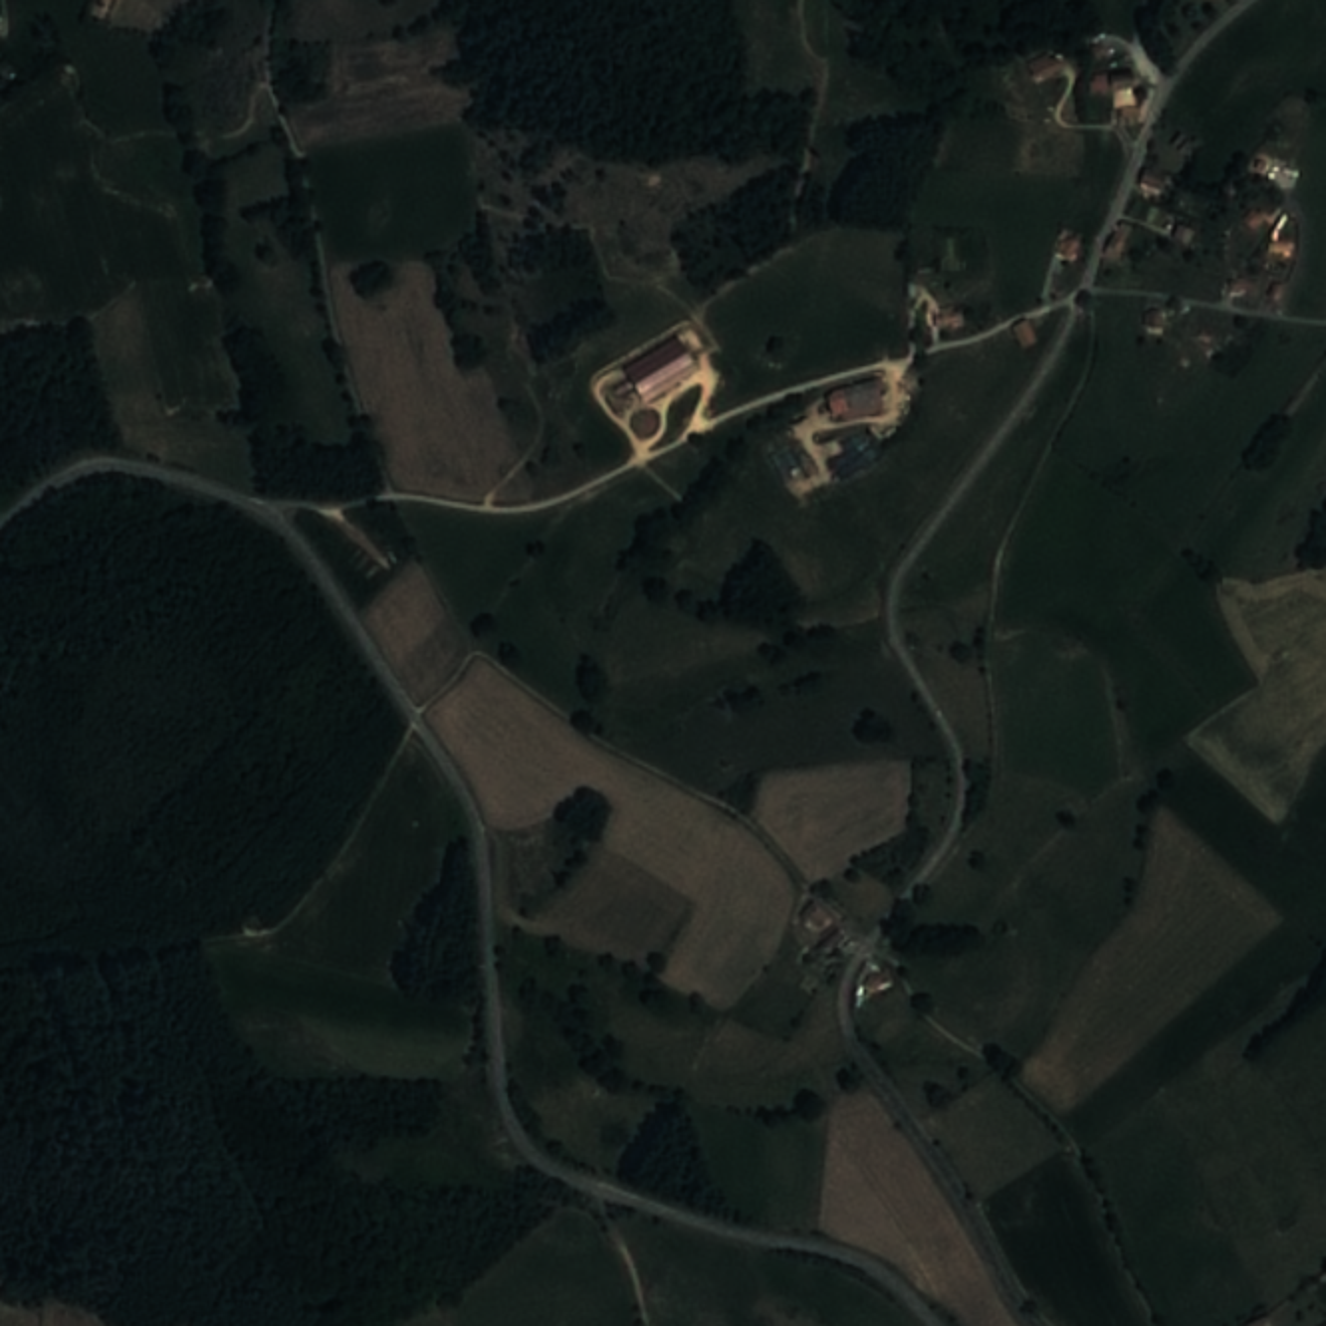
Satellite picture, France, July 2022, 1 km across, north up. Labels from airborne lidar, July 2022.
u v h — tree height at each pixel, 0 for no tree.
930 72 18
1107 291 0
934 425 0
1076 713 0
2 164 0
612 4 21
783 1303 0
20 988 11
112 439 12
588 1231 0
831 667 0
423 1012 0
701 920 0
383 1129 12
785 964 0
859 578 0
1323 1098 0
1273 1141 0
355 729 6
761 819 0
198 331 0
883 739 11
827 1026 0
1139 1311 0
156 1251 19
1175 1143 0
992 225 0
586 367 0
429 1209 14
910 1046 0
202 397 0
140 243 0
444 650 0
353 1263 17
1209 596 0
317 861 8
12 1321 0
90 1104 28
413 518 0
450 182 0
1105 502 0
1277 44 0
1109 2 0
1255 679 0
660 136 15
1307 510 0
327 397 0
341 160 0
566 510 0
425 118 0
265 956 0
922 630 0
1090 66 8
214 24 11
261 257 13
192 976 27
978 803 10
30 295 0
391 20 0
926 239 0
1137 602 0
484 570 0
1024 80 0
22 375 13
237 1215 31
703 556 0
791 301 0
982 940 17
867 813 0
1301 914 0
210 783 9
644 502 0
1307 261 0
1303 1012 14
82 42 0
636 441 0
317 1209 13
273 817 6
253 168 0
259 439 21
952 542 0
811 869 0
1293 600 0
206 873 12
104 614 19
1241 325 10
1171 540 0
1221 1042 0
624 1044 7
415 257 0
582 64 16
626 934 0
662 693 0
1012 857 0
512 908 0
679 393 0
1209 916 0
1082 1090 0
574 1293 0
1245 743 0
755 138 14
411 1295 17
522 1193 11
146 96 0
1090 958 0
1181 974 0
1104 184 0
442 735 0
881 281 0
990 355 0
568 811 17
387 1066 0
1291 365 0
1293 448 0
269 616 10
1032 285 0
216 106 0
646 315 0
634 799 0
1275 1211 0
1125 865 0
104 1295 20
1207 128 0
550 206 26
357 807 7
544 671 0
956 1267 0
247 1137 13
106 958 7
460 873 19
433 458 0
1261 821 0
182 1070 34
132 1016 33
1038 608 0
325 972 0
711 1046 0
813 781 0
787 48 0
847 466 0
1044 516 0
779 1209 0
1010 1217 0
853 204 28
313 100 7
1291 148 0
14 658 19
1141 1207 0
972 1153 0
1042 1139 0
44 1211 14
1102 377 0
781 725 0
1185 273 0
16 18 0
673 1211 0
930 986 0
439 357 0
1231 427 0
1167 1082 0
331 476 21
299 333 0
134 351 0
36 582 18
